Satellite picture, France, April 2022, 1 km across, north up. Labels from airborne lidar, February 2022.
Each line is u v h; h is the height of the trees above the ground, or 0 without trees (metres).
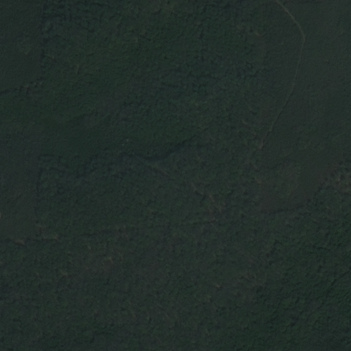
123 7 29
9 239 9
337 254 29
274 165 13
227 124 28
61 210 28
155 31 24
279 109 13
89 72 22
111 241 27
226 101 31
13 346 28
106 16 25
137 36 24
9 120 27
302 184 11
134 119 22
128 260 26
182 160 30
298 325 28
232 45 25
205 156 31
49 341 26
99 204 28
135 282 24
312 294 23
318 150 16
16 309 29
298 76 10
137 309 28
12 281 27
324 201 26
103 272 25
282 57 16
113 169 32
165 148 11
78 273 25
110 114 28
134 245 26
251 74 30
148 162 30
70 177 29
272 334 26
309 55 13
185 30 26
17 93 22
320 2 10
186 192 32
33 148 16
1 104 24
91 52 22
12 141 20
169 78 28
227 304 29
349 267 33
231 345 32
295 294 30
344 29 16
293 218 28
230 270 31
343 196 29
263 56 28
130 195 28
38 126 19
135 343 28
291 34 11
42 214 29
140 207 28
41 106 23
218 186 29
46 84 22
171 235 31
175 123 27
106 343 28
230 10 28
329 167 10
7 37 11
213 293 30
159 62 27
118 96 26
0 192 15
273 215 25
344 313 17
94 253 17
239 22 25
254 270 30
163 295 28
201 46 28
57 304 25
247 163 30
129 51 23
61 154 12
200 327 30
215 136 29
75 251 28
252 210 29
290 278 30
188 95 28
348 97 14
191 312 25
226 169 30
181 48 29
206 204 31
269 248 30
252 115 29
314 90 16
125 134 12
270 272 30
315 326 22
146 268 29
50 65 24
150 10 28
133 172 31
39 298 27
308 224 27
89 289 29
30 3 12
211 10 26
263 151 11
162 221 28
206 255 27
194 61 25
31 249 25
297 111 13
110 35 26
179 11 28
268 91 17
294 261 31
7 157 17
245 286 27
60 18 26
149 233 30
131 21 26
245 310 28
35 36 12
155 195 28
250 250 27
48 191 25
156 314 31
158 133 23
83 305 28
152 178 29
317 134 15
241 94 30
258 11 27
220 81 27
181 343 29
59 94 23
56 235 24
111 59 18
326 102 16
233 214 30
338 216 25
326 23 13
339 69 13
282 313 28
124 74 26
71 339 27
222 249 28
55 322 23
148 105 23
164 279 29
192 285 28
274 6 16
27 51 15
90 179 34
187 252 29
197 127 26
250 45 26
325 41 13
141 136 22
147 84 25
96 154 10
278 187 22
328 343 30
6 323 29
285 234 27
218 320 30
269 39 21
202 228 28
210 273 31
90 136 12
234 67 30
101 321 27
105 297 24
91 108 24
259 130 26
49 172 31
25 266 24
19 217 12
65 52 25
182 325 28
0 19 9
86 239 24
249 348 22
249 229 27
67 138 12
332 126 16
